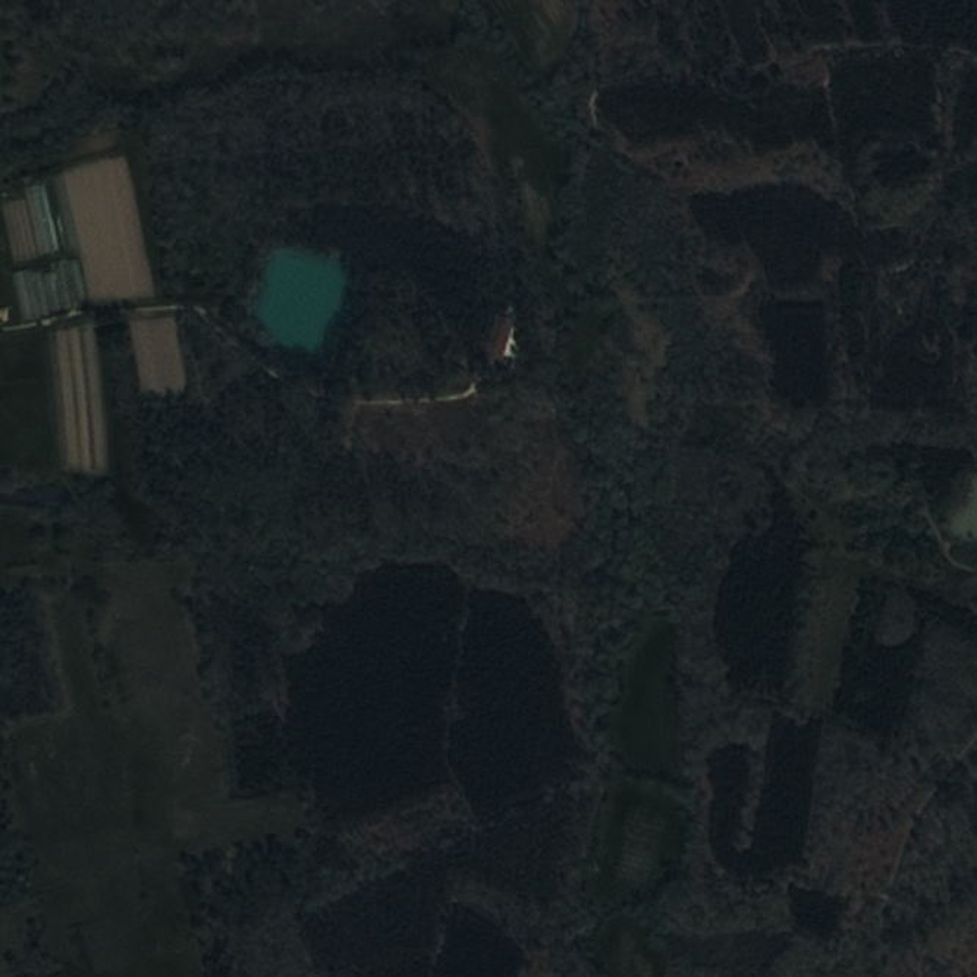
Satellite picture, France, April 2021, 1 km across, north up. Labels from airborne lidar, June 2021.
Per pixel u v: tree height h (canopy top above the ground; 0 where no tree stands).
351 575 14
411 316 17
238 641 14
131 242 0
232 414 14
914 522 15
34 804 0
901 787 14
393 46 0
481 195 14
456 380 20
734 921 20
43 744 0
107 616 0
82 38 11
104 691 11
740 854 11
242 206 22
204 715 0
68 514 18
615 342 11
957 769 10
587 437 23
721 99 11
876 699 7
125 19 17
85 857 0
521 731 11
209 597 12
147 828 0
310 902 16
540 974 10
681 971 9
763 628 10
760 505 12
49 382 0
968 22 10
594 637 12
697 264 14
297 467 19
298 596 27
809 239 10
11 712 13
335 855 9
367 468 17
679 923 22
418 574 11
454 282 18
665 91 12
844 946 13
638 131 11
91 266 0
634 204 16
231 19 18
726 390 14
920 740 13
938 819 9
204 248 20
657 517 15
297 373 18
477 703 11
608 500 13
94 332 0
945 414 18
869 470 15
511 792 10
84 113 23
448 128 18
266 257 7
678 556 11
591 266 12
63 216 0
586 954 19
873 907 17
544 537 0
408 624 13
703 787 10
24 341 0
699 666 16
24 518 0
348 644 11
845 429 17
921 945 9
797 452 17
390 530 20
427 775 12
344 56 0
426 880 18
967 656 12
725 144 12
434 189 26
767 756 8
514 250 15
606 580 9
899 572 12
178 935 0
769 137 11
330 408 17
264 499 18
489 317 18
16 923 0
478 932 10
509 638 12
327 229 16
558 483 0
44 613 13
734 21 11
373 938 18
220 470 26
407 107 12
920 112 10
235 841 0
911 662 8
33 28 10
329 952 17
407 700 12
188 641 0
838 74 11
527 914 16
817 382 12
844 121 12
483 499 18
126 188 0
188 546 15
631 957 0
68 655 0
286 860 26
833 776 10
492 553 20
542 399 25
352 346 18
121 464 0
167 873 0
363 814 11
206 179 26
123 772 0
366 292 14
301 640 17
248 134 14
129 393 13
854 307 12
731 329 9
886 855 11
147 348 0
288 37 0
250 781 9
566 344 11
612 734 28
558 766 11
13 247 0
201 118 14
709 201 11
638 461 10
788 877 10
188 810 0
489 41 17
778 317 11
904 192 17
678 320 9
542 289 22
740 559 11
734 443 9
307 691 11
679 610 24
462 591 11
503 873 19
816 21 12
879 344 10
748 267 11
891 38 7
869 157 11
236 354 19
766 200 9
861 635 7
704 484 16
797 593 10
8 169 20
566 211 21
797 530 9
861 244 12
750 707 21
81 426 0
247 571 13
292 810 0
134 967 0
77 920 0
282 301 0
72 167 0
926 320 9
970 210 23
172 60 19
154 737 0
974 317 13
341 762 12
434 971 10
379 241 16
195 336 19
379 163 18
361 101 20
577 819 19
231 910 8
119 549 7
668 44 15
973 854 12
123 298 0
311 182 23
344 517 14
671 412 27
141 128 25
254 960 20
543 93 20
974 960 9
